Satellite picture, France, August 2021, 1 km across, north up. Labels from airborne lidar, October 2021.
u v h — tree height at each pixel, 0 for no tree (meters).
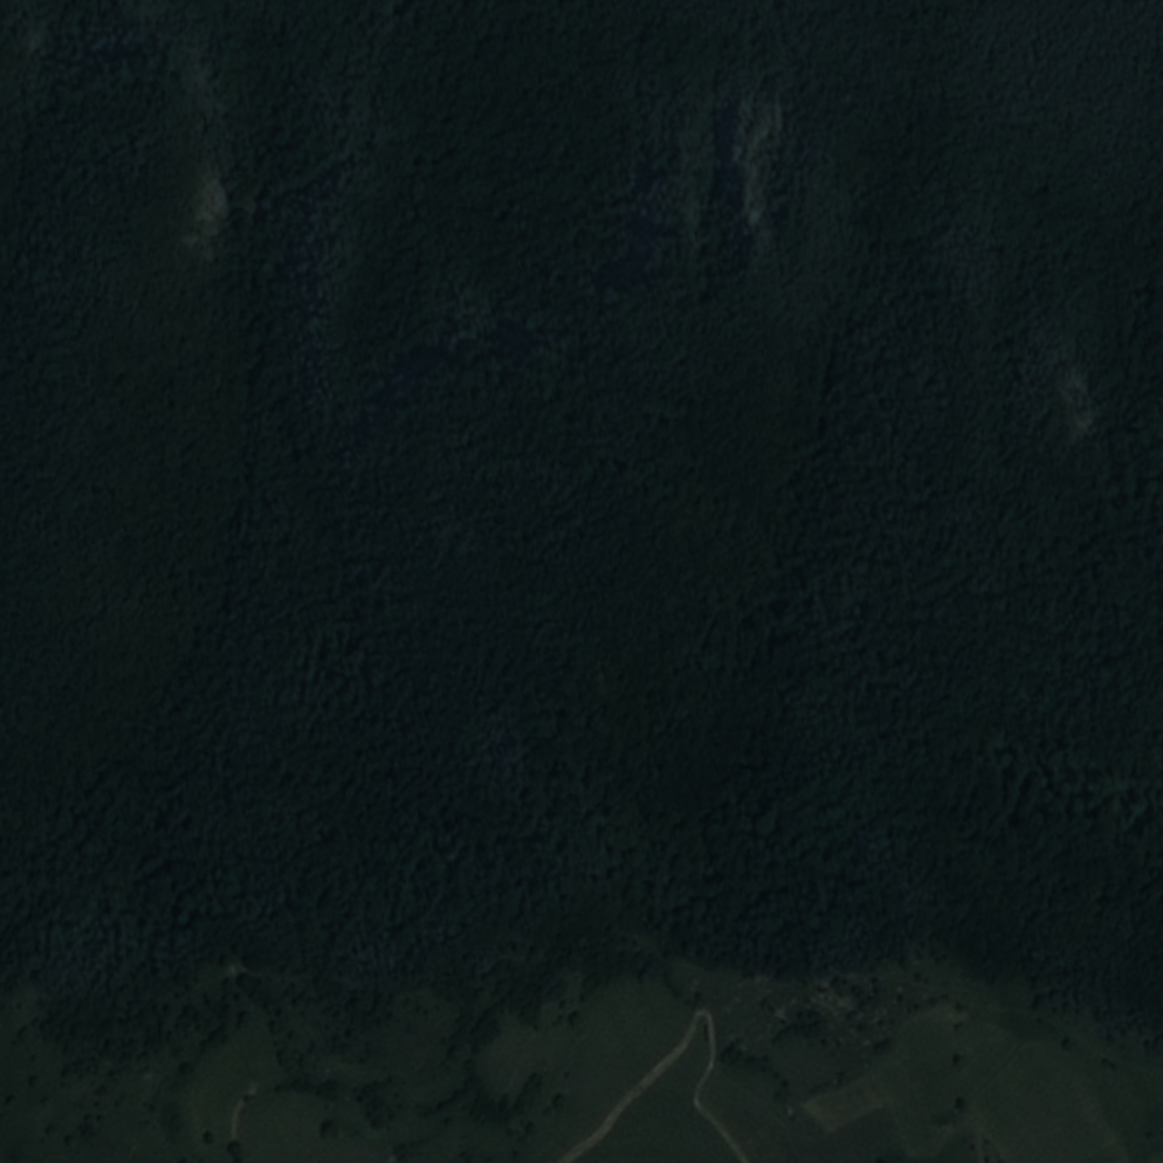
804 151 9
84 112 19
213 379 22
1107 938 25
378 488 18
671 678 23
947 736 18
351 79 17
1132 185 21
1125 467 23
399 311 22
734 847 30
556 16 21
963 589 18
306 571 22
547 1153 0
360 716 15
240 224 22
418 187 28
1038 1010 8
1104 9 15
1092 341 21
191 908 18
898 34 22
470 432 22
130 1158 0
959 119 18
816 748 17
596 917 5
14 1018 0
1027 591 19
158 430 16
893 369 17
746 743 26
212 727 23
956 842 24
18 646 21
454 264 19
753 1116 0
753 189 6
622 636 24
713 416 22
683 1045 0
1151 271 24
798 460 18
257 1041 0
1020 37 16
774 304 19
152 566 22
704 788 26
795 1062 0
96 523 21
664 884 16
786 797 25
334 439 15
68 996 8
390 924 13
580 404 15
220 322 16
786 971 10
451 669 20
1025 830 32
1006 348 19
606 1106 0
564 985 5
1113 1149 0
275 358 20
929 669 17
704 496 15
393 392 8
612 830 15
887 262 18
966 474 13
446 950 11
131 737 22
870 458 22
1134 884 30
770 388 27
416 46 19
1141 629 18
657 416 14
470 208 23
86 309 21
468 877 15
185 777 10
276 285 13
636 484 15
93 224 16
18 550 20
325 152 12
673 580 19
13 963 16
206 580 19
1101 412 15
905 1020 0
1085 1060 0
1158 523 22
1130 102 21
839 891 22
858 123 20
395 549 18
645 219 8
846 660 19
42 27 12
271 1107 0
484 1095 5
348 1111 0
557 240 19
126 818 22
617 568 18
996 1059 0
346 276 11
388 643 20
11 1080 0
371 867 23
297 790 18
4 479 20
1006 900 29
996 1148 0
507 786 13
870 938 21
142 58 12
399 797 22
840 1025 0
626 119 17
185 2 21
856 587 20
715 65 13
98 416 20
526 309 17
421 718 20
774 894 22
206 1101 0
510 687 20
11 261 18
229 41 20
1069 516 22
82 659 27
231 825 24
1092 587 28
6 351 19
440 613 15
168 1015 8
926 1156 0
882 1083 0
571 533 22
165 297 12
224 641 21
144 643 17
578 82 26
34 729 17
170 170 14
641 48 22
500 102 25
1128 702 19
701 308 26
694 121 14
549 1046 0
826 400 23
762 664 27
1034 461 16
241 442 21
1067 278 17
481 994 8
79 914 14
